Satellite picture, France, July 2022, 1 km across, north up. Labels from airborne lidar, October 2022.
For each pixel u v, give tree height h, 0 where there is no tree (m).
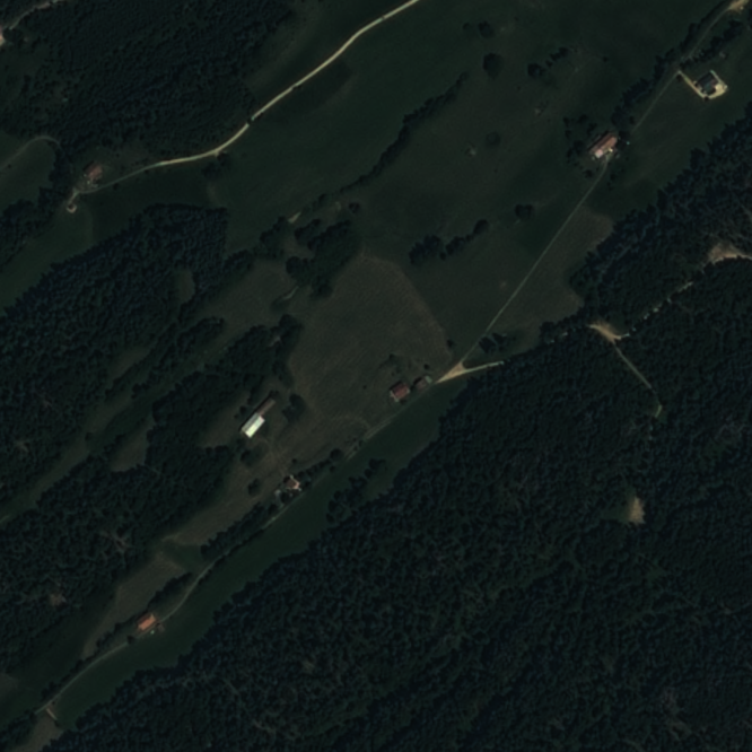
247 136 0
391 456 0
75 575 25
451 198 0
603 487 16
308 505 0
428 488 25
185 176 0
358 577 22
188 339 18
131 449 0
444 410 0
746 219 24
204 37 12
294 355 0
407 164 0
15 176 0
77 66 13
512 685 10
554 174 0
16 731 14
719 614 24
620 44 0
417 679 15
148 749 24
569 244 0
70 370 13
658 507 20
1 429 27
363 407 0
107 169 0
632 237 34
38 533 26
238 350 14
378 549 27
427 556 6
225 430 0
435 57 0
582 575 13
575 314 0
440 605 17
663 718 26
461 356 0
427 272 0
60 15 15
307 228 6
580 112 0
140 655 0
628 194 0
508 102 0
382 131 0
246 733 27
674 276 24
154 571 0
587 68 0
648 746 23
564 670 26
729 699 25
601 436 21
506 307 0
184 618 0
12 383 12
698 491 31
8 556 19
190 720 18
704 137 0
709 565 28
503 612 15
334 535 21
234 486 0
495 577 23
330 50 0
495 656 35
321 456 0
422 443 0
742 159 23
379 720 29
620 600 24
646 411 24
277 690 32
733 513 25
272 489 0
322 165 0
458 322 0
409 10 0
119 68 15
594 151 0
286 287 0
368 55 0
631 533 27
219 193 0
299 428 0
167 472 15
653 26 0
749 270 26
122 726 27
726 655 19
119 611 0
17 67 0
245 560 0
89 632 0
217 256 16
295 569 19
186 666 25
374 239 0
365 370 0
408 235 0
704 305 18
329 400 0
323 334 0
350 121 0
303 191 0
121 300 24
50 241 0
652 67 0
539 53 0
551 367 19
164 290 21
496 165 0
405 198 0
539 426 18
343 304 0
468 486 19
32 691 0
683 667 21
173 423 23
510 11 0
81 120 15
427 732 29
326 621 28
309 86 0
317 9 0
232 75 8
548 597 21
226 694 24
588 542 27
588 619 15
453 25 0
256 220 0
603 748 23
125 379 7
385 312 0
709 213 25
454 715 28
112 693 0
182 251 30
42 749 0
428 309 0
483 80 0
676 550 27
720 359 20
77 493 22
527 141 0
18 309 11
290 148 0
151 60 15
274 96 0
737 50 0
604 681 18
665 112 0
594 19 0
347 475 0
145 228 22
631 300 16
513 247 0
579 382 18
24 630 22
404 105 0
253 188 0
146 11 11
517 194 0
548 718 25
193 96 9
